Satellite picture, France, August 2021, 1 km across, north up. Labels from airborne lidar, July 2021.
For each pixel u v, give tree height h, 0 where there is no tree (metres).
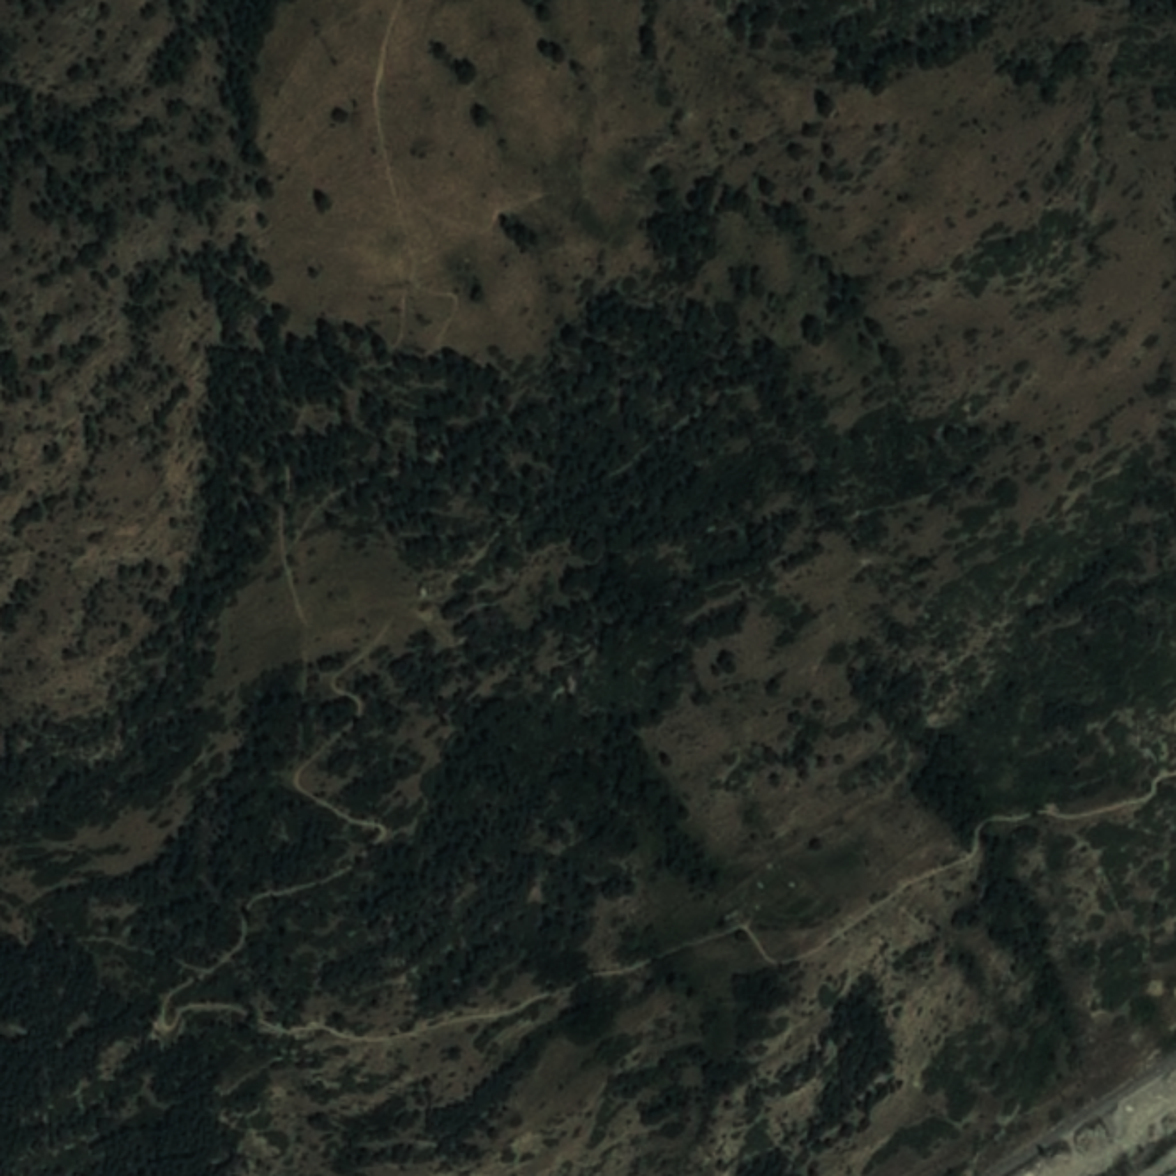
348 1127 6
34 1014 13
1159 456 0
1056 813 0
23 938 0
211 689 0
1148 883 0
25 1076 16
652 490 19
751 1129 0
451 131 0
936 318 0
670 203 12
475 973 17
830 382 0
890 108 0
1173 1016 0
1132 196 0
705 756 0
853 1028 14
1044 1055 6
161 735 10
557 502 13
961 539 0
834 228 0
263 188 18
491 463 14
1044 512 0
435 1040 0
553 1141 0
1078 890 0
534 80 0
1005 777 0
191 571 14
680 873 15
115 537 0
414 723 0
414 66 0
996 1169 0
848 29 13
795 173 0
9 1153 11
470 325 0
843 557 0
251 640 0
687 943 0
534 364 0
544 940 8
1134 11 8
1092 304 0
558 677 12
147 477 0
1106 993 0
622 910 0
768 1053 0
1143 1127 0
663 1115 16
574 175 0
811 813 0
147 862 0
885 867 0
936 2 0
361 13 0
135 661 0
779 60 0
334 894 0
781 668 0
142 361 9
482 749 19
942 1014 0
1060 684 0
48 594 0
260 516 23
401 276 0
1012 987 0
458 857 15
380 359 15
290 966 14
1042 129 0
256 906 0
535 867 14
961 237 0
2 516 0
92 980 8
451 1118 9
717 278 0
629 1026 0
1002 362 0
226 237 0
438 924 15
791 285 0
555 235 0
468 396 8
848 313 17
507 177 0
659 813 9
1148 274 0
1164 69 0
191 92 0
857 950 0
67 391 0
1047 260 0
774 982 7
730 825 0
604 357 17
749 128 0
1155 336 0
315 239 0
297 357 22
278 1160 0
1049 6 0
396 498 20
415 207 0
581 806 0
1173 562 0
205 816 11
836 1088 10
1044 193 0
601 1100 0
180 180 10
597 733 19
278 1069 6
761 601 0
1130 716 0
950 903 0
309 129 0
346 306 0
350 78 0
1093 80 0
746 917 0
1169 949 0
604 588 15
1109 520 0
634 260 0
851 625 0
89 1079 7
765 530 12
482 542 0
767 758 7
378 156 0
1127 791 0
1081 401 0
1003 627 0
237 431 14
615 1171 0
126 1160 8
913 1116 0
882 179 0
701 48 0
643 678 0
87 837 0
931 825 0
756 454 8
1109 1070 0
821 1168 0
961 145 0
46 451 10
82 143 14
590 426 12
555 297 0
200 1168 11
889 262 0
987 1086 0
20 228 0
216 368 19
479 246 0
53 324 11
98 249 14
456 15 0
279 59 0
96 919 0
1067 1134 0
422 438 10
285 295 0
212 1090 10
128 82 0
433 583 0
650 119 0
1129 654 0
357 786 10
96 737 6
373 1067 0
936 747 11
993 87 0
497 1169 0
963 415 0
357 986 7
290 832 0
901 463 10
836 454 7
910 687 12
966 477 9
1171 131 0
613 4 0
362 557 0
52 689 0
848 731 0
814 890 0
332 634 0
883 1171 0
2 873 0
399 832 0
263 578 0
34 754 8
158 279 7
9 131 19
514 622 0
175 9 21
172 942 9
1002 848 11
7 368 16
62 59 0
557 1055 0
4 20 0
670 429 11
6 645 0
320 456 20
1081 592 14
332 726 13
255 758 9
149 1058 8
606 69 0
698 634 14
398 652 0
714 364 9
